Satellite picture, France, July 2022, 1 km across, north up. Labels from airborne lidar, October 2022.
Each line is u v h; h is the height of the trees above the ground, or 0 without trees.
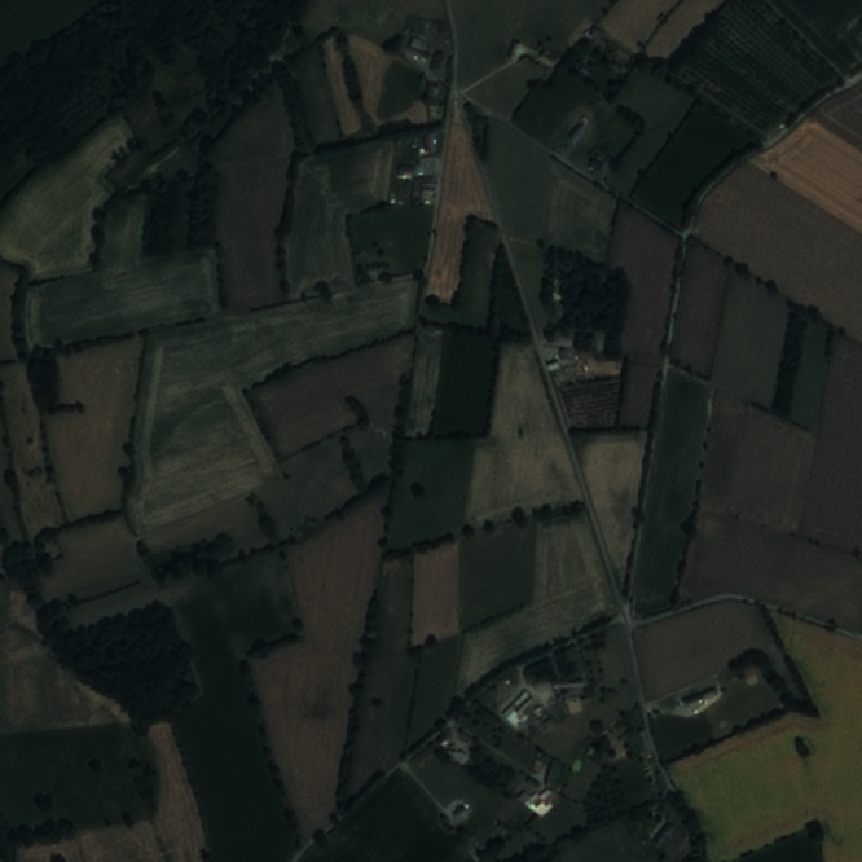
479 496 0
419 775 0
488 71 0
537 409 0
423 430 0
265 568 0
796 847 0
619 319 15
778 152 0
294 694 0
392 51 13
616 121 0
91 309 0
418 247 0
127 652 20
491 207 0
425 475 0
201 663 0
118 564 0
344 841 0
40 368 14
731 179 0
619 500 0
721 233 0
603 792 6
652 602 0
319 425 0
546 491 0
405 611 0
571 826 0
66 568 0
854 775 0
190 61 0
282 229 11
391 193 0
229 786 0
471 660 0
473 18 0
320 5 0
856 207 0
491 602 0
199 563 21
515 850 0
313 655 0
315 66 0
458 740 0
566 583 0
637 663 0
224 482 0
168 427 0
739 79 7
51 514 0
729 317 0
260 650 17
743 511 0
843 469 0
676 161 0
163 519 0
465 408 0
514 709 0
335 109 0
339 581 0
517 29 0
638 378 0
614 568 0
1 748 0
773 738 0
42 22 0
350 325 0
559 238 0
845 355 0
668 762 6
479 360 0
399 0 0
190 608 0
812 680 0
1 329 0
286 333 0
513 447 0
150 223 11
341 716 0
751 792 0
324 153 13
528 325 8
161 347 0
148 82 16
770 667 12
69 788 0
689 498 0
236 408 0
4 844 28
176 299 0
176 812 0
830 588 0
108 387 0
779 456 0
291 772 0
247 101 20
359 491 6
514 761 0
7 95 18
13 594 0
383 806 0
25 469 0
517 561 0
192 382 0
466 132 0
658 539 0
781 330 0
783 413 14
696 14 0
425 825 0
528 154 0
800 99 6
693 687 0
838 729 0
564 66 9
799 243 0
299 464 0
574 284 17
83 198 0
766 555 0
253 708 14
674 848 0
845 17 0
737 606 0
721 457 0
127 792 0
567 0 0
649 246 0
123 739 0
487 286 0
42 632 10
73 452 0
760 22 6
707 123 0
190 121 9
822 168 0
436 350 0
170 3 22
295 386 0
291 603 0
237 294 0
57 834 19
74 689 0
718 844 0
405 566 0
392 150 0
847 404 0
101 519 7
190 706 18
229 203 0
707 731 0
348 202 0
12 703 0
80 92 36
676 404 0
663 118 0
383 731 0
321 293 19
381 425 0
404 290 0
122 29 22
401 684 0
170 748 0
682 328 0
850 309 0
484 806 0
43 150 32
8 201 7
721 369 0
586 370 0
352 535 0
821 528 0
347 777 13
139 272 0
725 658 0
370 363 0
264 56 22
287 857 0
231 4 22
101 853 0
